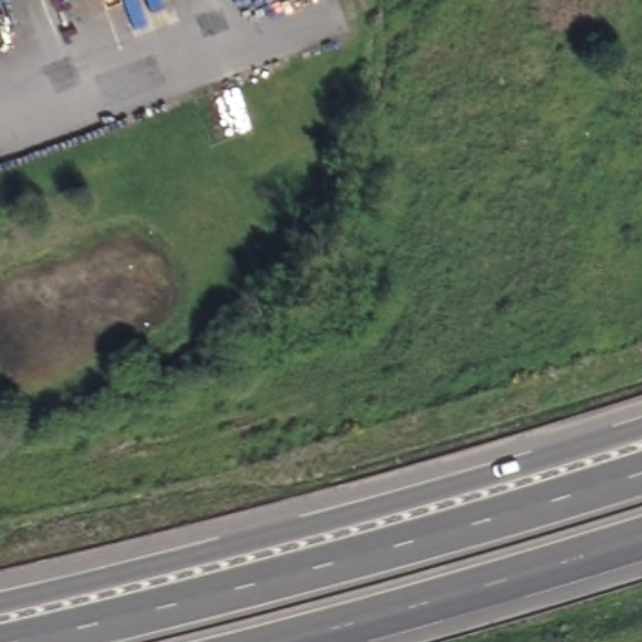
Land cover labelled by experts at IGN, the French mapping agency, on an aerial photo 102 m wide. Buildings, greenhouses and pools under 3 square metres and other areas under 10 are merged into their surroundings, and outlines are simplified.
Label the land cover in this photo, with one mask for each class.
<instances>
[{"label":"herbaceous vegetation","instance_id":"1","mask_svg":"<svg viewBox=\"0 0 642 642\"><path fill-rule=\"evenodd\" d=\"M614 40L622 43L624 60L614 75L602 78L592 68H587L582 58L599 55L604 45ZM384 63H391L396 85L386 88L384 93L391 100L386 110L394 150L406 163V216L396 236L386 243V251L391 256V281L399 278L406 283L404 308L396 324L386 331V336L351 364L324 371L298 369L296 364L253 401H206L203 409L188 411L176 429L155 434L153 439L125 441V436H110L100 441L98 449H90L88 441H83L85 434L70 429L53 439H35L33 444L25 441L18 451L0 456V572L369 479L376 474L474 449L482 444H492L514 434H524L539 426H549L564 419H574L642 396V0H374V5L361 18L349 23V38L344 45H336L308 58L293 55L286 68H273L271 78L261 83H243L241 90H226L218 98V103L201 88H196L186 93L183 103L173 110L155 113L153 118L120 128L110 135L23 163L18 171L0 173V208L15 203L25 193V186L33 181L43 191V198L50 211L48 226H28L20 228L13 238L0 241V401L5 394H15L18 389L35 394L33 404L28 406V414L43 421L55 411L78 414L85 409L90 396L100 394L110 384L113 354L125 349L138 331H145L150 341H155L166 351V356L158 359L161 369H198L203 334L208 331V324L216 318L218 308L236 303L243 296L248 276L271 271L273 266H278L283 256L291 253L283 238L291 226L318 221L326 213L324 203L336 201V181L331 171L324 166V155L336 143L341 125L346 123V115L371 105L366 80L376 78ZM85 183L95 198L93 211H83L68 201ZM436 642H642V579L604 592H594L572 602L534 609L522 617L487 624Z\"/></svg>","mask_w":642,"mask_h":642},{"label":"impervious surface","instance_id":"2","mask_svg":"<svg viewBox=\"0 0 642 642\"><path fill-rule=\"evenodd\" d=\"M5 3H8V15H5V18H0V173L18 171L23 163L110 135L120 128L153 118L155 113L173 110L183 103L186 93L196 88H201L218 103V98L226 90H241L243 83H261L271 78L273 68H286L293 55L308 58L336 45H344L349 38V23L361 18L374 5V0H5ZM642 579V396L574 419H564L549 426H539L524 434H514L492 444H482L474 449L376 474L369 479L0 572V642H436L487 624L522 617L534 609L572 602L594 592H604Z\"/></svg>","mask_w":642,"mask_h":642},{"label":"deciduous trees","instance_id":"3","mask_svg":"<svg viewBox=\"0 0 642 642\"><path fill-rule=\"evenodd\" d=\"M587 68H592L602 78L614 75L624 60L622 43L614 40L604 45L599 55L582 58ZM324 166L331 171L336 181V201L324 203L326 213L318 221L291 226L283 238L291 253L283 256L278 266H273L271 271L248 276L243 296L236 303L218 308L216 318L208 324V331L203 334L198 369L206 371V376L223 374V331H231L233 336H263L271 331L268 316L278 306H326L339 296V291L351 278L369 273L379 278L381 266L391 271V256L386 251V243L396 236L406 216V163L394 150L386 110L371 105L346 115V123L341 125L336 143L324 155ZM166 356V351L155 341H150L145 331H138L125 349L113 354L110 384L100 394L90 396L85 409L105 414L118 411L123 404L148 406L153 391H176L196 376V369H161L158 359ZM35 394L18 389L15 394H5L0 401V426L25 429L28 414V406L33 404Z\"/></svg>","mask_w":642,"mask_h":642},{"label":"brushwood","instance_id":"4","mask_svg":"<svg viewBox=\"0 0 642 642\"><path fill-rule=\"evenodd\" d=\"M396 85L391 63H384L376 78L366 80L371 105L386 110L391 100L384 93L386 88ZM50 211L43 198V191L33 181L25 186V193L15 203L0 208V241L13 238L20 228L28 226H48ZM68 201L83 211H93L95 198L85 183ZM406 283L399 278L391 281V271L381 266L379 278L369 273L351 278L339 291V296L326 306H278L268 316L271 331L263 336H233L231 331H223V374L206 376V371L198 369H196V376L176 391H153L148 406L123 404L118 411L105 414L85 409L78 414L55 411L43 421L28 414L25 429L0 426V456L18 451L25 441L33 444L35 439H53L70 429L85 434L83 441H88L90 449H98L100 441L110 436H125V441L153 439L155 434L176 429L188 411L203 409L206 401H253L296 364L298 369L324 371L351 364L386 336V331L396 324L404 308Z\"/></svg>","mask_w":642,"mask_h":642},{"label":"building","instance_id":"5","mask_svg":"<svg viewBox=\"0 0 642 642\"><path fill-rule=\"evenodd\" d=\"M5 15H8V3H5V0H0V18H5Z\"/></svg>","mask_w":642,"mask_h":642}]
</instances>
